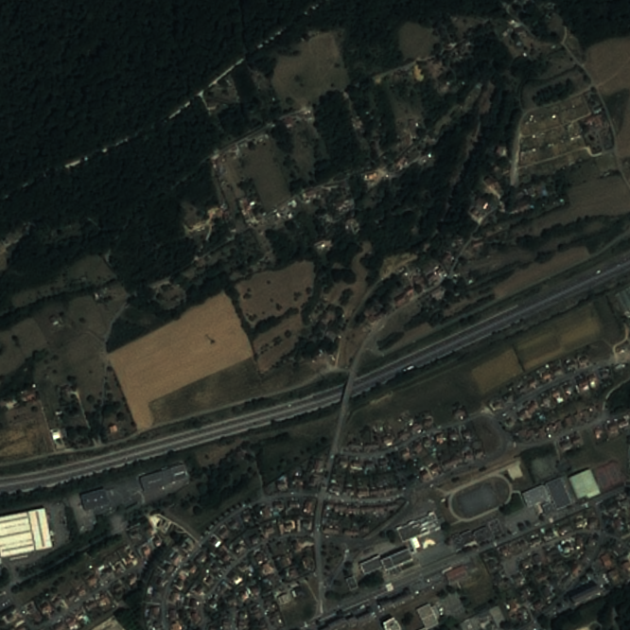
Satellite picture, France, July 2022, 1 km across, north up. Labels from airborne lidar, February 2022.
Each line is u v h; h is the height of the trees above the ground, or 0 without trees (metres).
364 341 0
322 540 0
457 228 14
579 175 0
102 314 0
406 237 8
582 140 0
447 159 24
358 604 0
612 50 0
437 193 16
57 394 0
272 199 0
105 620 0
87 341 0
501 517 0
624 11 17
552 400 0
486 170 11
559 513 0
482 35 7
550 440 0
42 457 0
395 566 0
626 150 0
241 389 0
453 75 17
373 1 19
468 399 0
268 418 0
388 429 0
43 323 0
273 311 0
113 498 0
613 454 0
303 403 0
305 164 0
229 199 0
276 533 0
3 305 15
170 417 0
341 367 0
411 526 0
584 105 0
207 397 0
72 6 17
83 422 0
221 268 14
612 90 0
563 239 0
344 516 7
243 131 19
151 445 0
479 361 0
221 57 18
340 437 0
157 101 9
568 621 8
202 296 16
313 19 15
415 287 9
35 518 0
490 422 0
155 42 23
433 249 7
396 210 13
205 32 20
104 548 9
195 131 18
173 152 20
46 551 0
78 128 26
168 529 0
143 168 18
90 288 8
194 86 17
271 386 0
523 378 0
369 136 15
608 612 22
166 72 19
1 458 0
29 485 0
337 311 6
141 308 12
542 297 0
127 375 0
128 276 10
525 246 13
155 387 0
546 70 9
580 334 0
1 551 0
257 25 20
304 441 0
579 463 0
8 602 0
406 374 12
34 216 21
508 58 21
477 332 0
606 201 0
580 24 19
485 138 14
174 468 0
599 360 0
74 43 26
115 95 15
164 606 0
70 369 0
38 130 19
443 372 0
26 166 22
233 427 0
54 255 21
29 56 17
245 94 6
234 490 8
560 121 0
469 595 0
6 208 25
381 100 6
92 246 19
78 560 12
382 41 6
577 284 0
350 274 16
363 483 0
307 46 0
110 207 20
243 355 0
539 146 0
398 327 0
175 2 22
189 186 10
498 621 0
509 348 0
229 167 0
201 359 0
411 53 0
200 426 10
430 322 6
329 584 0
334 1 16
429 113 8
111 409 12
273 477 0
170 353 0
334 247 5
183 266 6
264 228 0
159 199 17
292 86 0
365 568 0
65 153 20
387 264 0
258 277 0
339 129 13
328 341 8
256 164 0
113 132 13
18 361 0
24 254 19
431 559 0
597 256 0
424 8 16
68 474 0
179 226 9
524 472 0
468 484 0
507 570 0
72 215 18
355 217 7
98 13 21
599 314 0
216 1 21
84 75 22
